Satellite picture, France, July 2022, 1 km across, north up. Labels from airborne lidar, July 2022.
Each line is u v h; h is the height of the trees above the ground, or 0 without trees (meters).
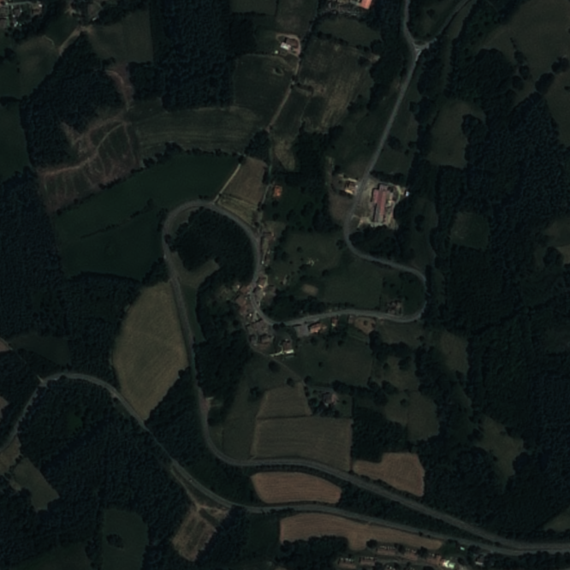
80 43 12
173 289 0
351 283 0
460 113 0
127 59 0
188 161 0
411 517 12
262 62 0
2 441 19
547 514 9
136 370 0
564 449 38
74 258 0
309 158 10
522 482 12
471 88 18
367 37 0
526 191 24
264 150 15
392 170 0
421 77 0
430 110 25
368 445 9
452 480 22
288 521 0
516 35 0
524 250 16
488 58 16
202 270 0
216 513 0
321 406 11
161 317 0
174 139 0
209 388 22
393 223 0
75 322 16
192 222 11
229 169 0
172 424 27
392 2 31
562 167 27
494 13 11
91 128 0
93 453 26
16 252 31
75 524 31
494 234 17
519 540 12
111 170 0
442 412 21
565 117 0
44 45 0
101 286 28
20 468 0
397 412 0
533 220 18
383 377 0
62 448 10
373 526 0
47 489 0
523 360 18
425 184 20
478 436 18
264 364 0
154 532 24
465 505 19
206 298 16
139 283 19
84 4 12
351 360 0
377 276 0
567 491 31
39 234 28
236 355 20
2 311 27
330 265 0
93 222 0
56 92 18
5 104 20
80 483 23
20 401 10
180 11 38
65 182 0
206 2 39
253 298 0
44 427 15
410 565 7
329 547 13
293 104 0
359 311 0
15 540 28
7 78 0
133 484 26
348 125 0
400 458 0
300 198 0
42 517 18
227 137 0
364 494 17
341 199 0
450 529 11
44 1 19
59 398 14
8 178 0
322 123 0
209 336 19
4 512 28
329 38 16
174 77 15
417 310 0
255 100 0
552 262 17
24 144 0
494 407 23
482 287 7
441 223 12
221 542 22
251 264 14
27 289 31
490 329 17
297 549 19
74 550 0
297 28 0
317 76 0
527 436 28
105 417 11
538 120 26
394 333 0
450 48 0
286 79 0
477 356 21
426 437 0
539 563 12
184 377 20
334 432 0
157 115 0
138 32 0
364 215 0
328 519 0
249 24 6
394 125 0
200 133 0
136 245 0
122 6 18
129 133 0
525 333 23
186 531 0
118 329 18
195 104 29
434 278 20
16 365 18
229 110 0
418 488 0
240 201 0
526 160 24
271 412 0
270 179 12
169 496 25
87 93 25
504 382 20
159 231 9
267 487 0
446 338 0
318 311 9
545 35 0
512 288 12
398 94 0
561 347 0
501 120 19
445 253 18
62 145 20
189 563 18
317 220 19
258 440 0
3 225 32
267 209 8
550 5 0
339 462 0
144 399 0
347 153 0
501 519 30
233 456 0
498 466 0
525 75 13
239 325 15
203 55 33
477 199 13
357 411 8
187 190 0
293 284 0
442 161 0
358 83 0
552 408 33
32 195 29
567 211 21
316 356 0
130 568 0
